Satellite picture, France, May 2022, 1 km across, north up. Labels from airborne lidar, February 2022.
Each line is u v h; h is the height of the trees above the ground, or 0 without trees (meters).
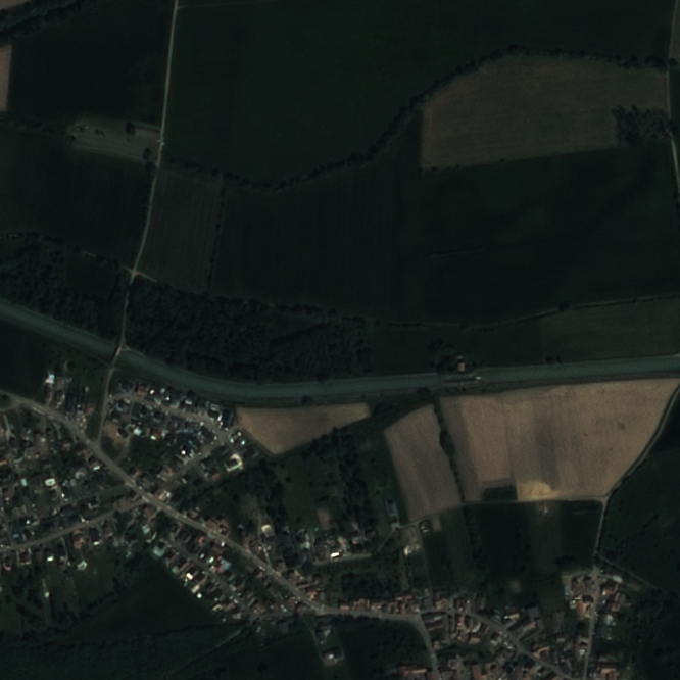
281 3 0
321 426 0
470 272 0
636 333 0
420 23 0
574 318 0
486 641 0
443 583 0
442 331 0
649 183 0
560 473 0
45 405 0
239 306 19
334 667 0
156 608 0
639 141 25
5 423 0
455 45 0
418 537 0
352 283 0
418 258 0
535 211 0
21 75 0
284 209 0
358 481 9
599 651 0
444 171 0
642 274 0
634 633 0
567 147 0
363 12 0
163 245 0
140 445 0
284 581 0
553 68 0
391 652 0
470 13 0
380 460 0
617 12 0
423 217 0
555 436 0
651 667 0
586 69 0
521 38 0
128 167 0
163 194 0
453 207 0
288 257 0
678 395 0
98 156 0
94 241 0
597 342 0
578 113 0
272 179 0
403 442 0
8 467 0
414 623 0
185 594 0
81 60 0
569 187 0
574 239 0
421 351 0
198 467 0
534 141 0
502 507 0
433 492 0
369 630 0
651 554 0
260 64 0
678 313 0
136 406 0
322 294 0
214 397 0
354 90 0
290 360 8
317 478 0
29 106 0
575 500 0
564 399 0
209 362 16
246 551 0
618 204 0
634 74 0
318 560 0
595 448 0
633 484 0
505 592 12
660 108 0
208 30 0
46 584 0
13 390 0
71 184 0
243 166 0
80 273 0
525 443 0
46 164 0
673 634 0
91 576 0
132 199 0
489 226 0
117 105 0
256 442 0
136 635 0
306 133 0
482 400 0
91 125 0
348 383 0
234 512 0
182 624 0
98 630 0
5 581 0
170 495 0
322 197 0
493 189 0
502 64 0
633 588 0
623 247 0
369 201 0
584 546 0
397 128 12
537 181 0
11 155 0
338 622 11
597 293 0
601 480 0
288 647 0
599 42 0
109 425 0
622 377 0
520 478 0
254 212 0
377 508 0
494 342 0
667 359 0
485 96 0
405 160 0
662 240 0
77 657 0
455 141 0
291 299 0
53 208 0
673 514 0
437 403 0
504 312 0
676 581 0
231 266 0
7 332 0
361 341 12
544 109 0
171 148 0
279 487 17
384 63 0
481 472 0
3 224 0
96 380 0
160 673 0
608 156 0
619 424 0
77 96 0
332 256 0
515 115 0
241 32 0
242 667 0
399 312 0
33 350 0
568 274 0
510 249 0
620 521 0
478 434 0
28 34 15
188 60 0
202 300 15
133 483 0
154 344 29
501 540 0
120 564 8
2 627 0
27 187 0
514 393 0
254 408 0
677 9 0
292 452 0
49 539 0
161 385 0
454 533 0
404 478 0
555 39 0
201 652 0
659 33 0
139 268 0
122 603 0
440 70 0
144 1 0
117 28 0
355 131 0
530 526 0
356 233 0
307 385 0
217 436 0
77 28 0
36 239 15
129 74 0
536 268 0
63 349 0
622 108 0
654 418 0
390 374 0
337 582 0
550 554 0
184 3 0
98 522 0
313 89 0
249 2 0
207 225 0
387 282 0
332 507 0
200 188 0
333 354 12
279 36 0
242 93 0
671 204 0
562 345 0
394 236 0
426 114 0
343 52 0
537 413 0
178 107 0
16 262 8
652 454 0
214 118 0
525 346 0
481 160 0
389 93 0
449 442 14
